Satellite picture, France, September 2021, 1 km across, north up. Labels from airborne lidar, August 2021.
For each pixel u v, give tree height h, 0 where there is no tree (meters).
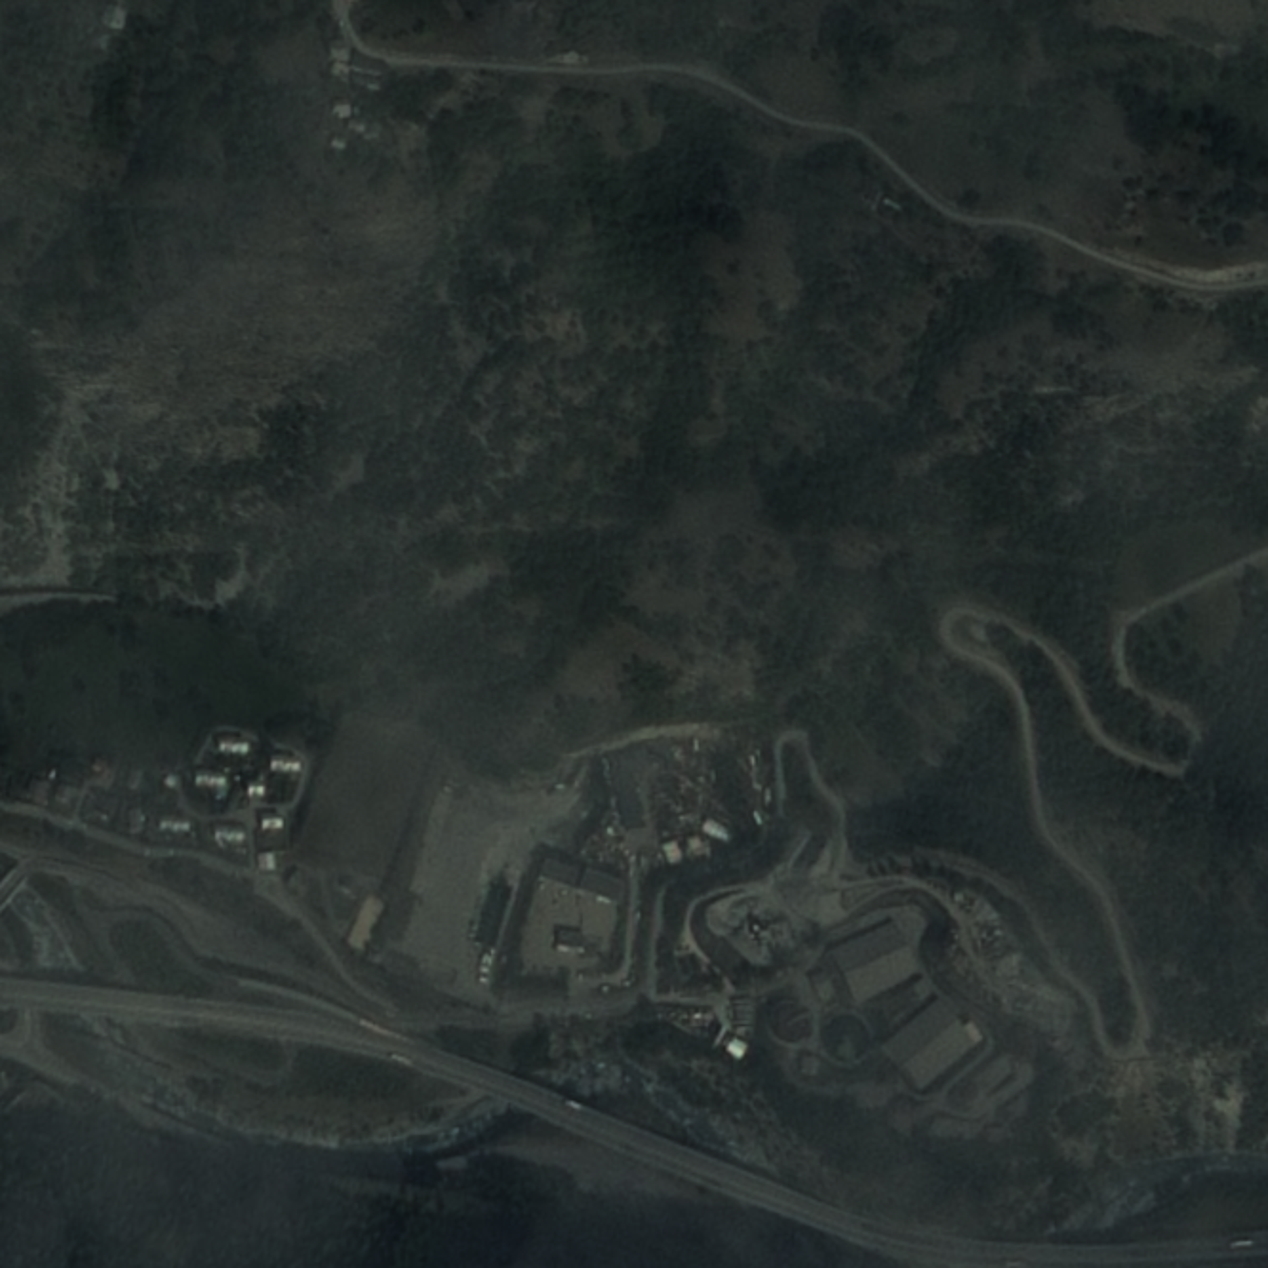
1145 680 9
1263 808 16
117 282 11
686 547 6
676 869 8
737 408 12
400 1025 0
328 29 12
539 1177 11
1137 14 0
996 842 13
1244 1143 10
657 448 15
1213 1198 6
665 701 5
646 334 11
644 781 0
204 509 10
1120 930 0
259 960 0
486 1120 0
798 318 14
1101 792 14
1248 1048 10
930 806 14
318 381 8
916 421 8
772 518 6
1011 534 8
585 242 9
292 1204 15
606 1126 0
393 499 9
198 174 14
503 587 15
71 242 15
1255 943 15
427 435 9
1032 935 11
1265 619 12
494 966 0
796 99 0
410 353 11
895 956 0
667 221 21
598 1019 0
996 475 11
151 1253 25
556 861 7
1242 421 11
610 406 14
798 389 7
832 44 13
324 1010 0
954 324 13
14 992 0
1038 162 10
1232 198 10
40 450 11
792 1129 7
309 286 0
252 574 11
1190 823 11
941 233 9
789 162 8
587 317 7
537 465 17
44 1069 0
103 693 0
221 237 6
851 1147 11
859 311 13
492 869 0
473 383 11
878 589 16
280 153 10
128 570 7
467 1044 15
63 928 0
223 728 0
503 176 8
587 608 17
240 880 0
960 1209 11
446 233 10
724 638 7
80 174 6
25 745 0
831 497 17
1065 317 7
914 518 12
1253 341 13
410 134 0
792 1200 0
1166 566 0
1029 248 16
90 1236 18
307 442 10
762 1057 8
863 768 0
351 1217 17
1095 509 15
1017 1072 0
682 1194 0
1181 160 0
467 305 6
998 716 12
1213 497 9
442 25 0
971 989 0
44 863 0
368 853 0
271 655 11
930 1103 0
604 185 11
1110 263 0
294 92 10
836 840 0
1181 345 0
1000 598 19
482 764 6
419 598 9
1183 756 13
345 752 0
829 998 0
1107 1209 0
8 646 15
